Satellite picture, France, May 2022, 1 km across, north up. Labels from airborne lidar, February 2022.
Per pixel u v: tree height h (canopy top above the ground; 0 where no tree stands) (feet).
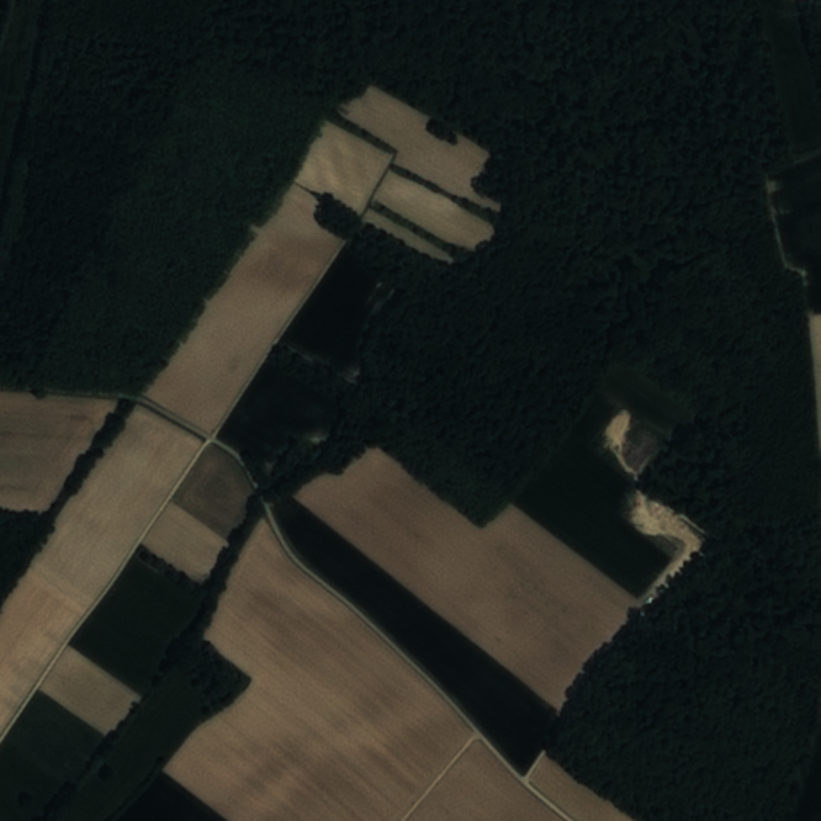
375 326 55
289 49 100
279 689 0
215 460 0
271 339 0
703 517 42
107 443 45
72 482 39
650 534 0
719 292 92
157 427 0
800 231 0
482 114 73
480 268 72
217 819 0
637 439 0
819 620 75
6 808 0
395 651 0
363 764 0
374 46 80
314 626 0
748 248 56
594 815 0
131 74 78
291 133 84
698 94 63
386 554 0
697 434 63
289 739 0
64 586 0
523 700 0
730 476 88
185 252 89
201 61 83
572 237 53
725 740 82
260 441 0
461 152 0
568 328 76
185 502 0
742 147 84
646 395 0
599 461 0
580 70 82
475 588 0
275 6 95
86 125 71
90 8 53
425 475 66
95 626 0
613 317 47
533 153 69
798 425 50
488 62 37
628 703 79
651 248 83
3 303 46
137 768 0
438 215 0
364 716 0
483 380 82
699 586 41
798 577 88
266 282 0
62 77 56
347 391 43
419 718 0
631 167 79
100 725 0
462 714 0
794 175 0
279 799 0
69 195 60
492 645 0
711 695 78
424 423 75
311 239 0
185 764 0
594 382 44
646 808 51
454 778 0
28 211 61
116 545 0
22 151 71
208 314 0
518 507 0
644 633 72
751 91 81
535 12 84
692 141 60
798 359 49
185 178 92
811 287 0
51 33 56
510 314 78
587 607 0
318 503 0
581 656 0
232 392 0
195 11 52
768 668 82
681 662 81
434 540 0
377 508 0
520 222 69
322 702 0
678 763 72
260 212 85
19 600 0
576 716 66
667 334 74
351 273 0
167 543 0
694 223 70
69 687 0
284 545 0
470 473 67
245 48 94
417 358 81
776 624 59
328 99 61
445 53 77
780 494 52
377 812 0
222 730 0
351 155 0
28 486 0
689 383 47
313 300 0
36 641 0
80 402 0
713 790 78
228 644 0
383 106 0
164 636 0
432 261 55
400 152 0
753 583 19
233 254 65
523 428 81
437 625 0
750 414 51
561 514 0
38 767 0
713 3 47
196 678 27
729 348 62
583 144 66
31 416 0
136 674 0
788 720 74
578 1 81
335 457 58
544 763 0
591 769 67
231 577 0
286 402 0
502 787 0
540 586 0
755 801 77
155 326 90
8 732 0
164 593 0
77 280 70
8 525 83
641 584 0
